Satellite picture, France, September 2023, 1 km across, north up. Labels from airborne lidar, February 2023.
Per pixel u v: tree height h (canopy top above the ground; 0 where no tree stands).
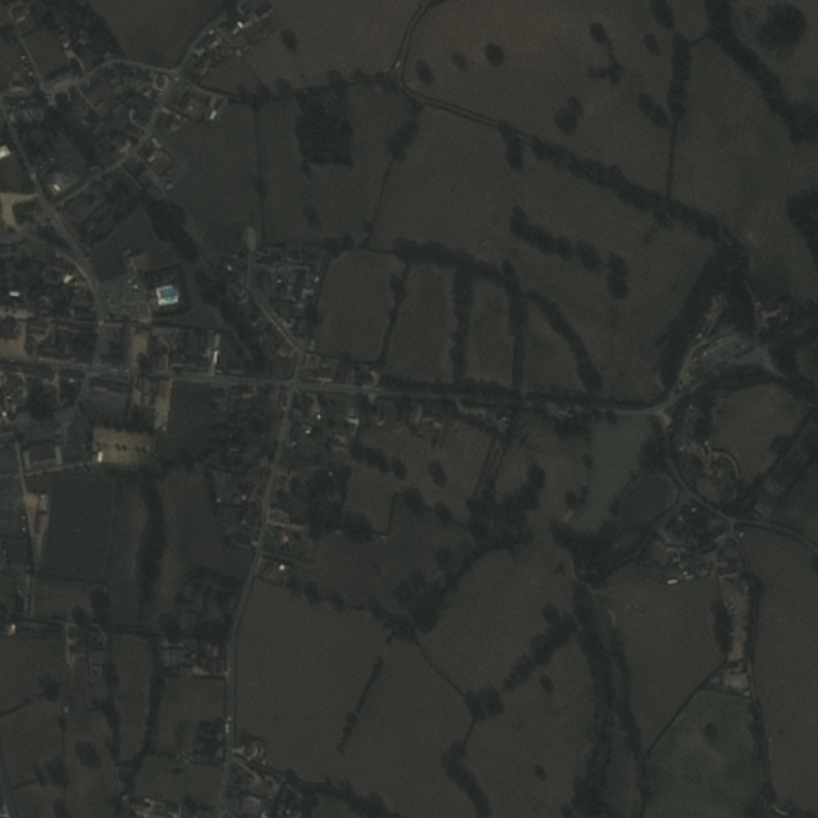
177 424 0
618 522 0
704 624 0
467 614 0
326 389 0
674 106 18
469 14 0
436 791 0
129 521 0
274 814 8
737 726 0
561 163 10
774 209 0
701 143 0
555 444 0
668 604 0
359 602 0
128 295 0
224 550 0
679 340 18
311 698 0
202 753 6
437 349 0
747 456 0
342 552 0
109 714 20
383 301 0
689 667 0
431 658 0
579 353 20
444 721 0
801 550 0
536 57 0
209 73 0
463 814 0
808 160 0
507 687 9
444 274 0
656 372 0
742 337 0
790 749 0
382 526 0
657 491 0
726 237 12
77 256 0
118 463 0
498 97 0
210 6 0
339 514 14
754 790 0
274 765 0
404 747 0
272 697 0
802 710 0
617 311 0
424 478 0
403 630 21
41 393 20
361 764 0
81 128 0
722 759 0
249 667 0
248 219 0
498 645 0
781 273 0
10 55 0
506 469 0
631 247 0
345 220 0
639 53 0
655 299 0
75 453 0
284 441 0
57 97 0
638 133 0
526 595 0
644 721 0
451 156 0
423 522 0
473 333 0
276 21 0
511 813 0
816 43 0
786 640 0
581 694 0
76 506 0
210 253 0
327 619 0
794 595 0
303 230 0
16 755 0
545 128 0
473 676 0
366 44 0
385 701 0
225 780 0
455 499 0
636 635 0
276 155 0
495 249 0
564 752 0
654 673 0
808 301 0
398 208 0
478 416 8
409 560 0
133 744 0
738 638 0
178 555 0
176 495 0
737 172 0
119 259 0
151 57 0
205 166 0
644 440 0
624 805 0
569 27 0
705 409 17
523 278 0
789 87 0
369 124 0
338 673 0
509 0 0
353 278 0
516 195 0
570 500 14
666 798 0
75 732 0
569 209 0
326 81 0
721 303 0
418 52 0
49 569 0
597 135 0
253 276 0
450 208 0
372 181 0
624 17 0
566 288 0
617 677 0
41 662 0
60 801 0
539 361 0
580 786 19
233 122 0
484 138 0
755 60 13
